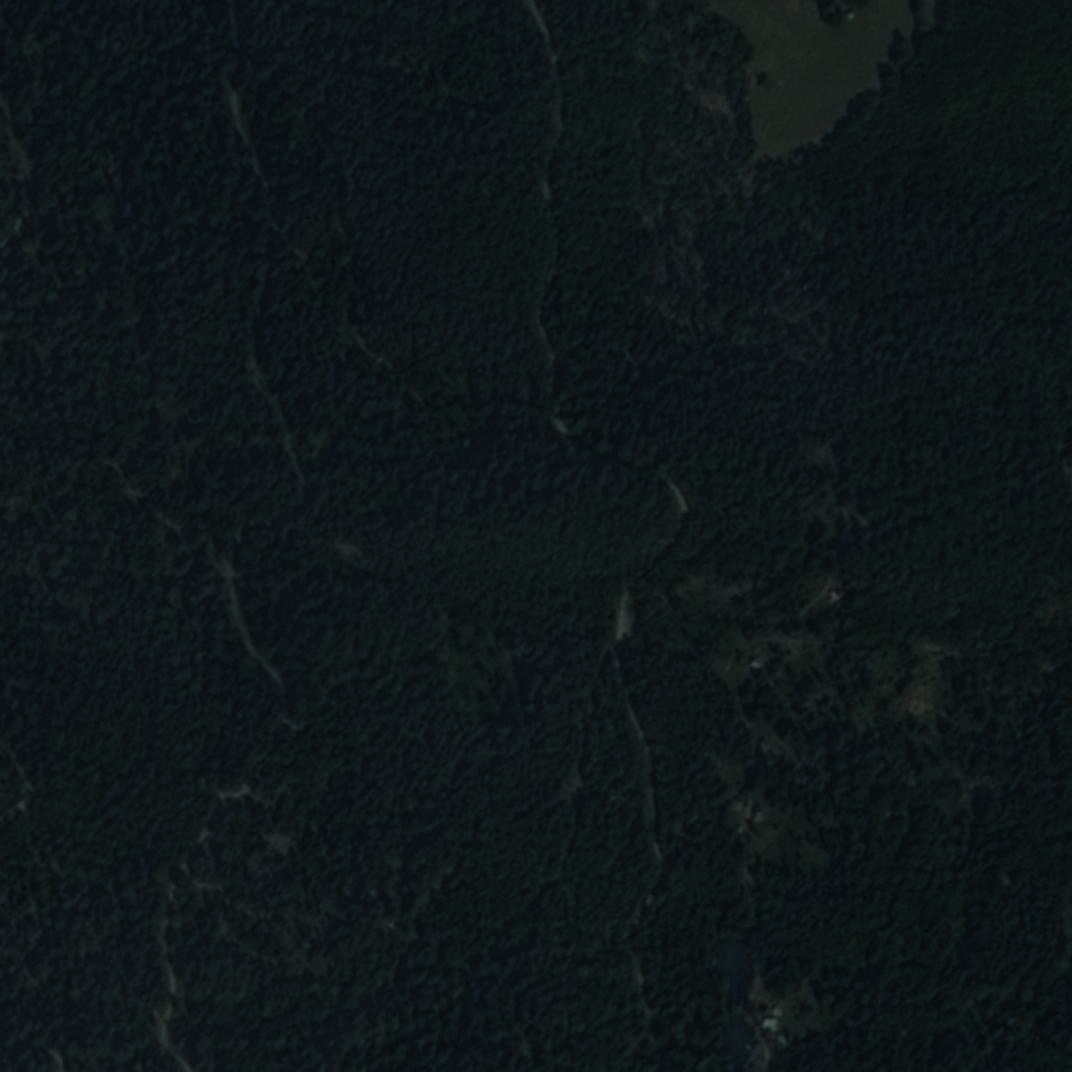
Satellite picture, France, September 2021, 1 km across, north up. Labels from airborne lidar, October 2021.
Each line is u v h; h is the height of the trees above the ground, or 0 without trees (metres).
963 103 15
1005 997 17
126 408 18
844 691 20
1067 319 34
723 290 32
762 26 0
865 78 0
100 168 9
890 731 9
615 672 18
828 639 7
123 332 10
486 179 20
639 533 19
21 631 9
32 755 11
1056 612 7
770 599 28
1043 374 19
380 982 13
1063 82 15
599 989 27
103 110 14
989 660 26
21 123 11
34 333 23
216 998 16
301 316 25
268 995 14
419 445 14
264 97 25
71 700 14
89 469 32
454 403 7
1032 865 28
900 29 0
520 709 12
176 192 28
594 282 19
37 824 19
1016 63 18
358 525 27
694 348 20
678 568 23
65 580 22
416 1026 20
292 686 20
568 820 22
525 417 26
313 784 20
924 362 24
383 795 30
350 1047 16
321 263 10
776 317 17
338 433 13
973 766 28
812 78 0
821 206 23
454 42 11
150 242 27
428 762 30
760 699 23
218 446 9
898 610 21
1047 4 17
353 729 26
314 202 29
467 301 24
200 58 34
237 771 18
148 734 16
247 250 22
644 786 14
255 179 23
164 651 22
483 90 14
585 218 23
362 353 8
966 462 25
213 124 11
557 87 14
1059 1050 19
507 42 16
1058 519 29
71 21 13
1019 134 17
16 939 30
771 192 14
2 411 19
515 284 18
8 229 10
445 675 20
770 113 0
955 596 19
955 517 26
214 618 13
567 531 26
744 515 21
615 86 17
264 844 22
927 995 32
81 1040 18
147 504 15
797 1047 10
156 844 24
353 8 21
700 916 25
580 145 16
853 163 25
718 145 23
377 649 27
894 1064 28
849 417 29
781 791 20
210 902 12
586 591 24
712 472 16
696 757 29
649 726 23
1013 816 26
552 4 32
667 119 27
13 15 11
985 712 26
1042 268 34
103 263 14
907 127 20
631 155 21
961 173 27
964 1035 23
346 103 25
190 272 27
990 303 32
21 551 32
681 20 26
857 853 20
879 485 22
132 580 10
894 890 14
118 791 14
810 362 34
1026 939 29
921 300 23
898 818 10
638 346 37
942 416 14
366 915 22
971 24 22
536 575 22
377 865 30
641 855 16
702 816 28
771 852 0
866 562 16
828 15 19
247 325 30
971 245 24
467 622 16
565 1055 21
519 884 20
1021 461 21
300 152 9
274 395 10
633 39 24
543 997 27
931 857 32
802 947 25
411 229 24
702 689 30
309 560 31
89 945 31
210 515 18
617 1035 27
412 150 23
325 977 7
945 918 33
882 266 35
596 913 22
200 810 24
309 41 8
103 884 10
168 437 29
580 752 21
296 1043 17
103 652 20
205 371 26
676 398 32
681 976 24
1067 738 31
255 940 13
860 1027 28
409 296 25
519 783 25
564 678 28
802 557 14
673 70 24
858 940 16
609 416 26
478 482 31
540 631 26
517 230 22
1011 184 30
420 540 26
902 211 20
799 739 26
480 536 21
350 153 23
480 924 19
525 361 25
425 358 26
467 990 8
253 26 31
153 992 21
